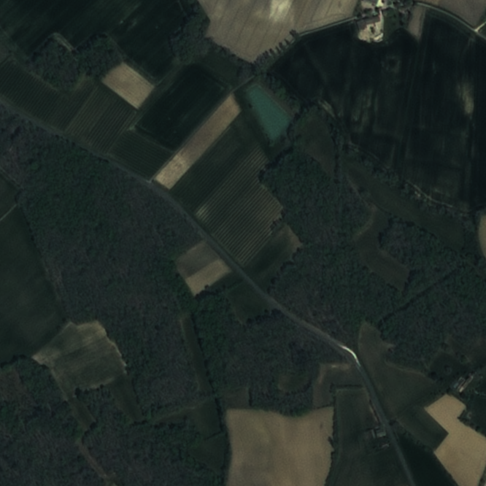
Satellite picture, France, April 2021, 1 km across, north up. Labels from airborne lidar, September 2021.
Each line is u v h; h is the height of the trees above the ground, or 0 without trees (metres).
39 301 0
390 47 0
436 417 0
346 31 0
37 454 20
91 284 17
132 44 0
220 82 0
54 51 20
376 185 0
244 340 15
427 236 22
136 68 0
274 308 0
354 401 0
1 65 0
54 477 17
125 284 19
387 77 0
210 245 0
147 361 18
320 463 0
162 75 0
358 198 12
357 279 19
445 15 0
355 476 0
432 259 25
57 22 0
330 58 0
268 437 0
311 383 19
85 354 0
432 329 19
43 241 19
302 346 12
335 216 23
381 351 0
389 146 0
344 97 0
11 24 0
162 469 18
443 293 20
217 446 0
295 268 16
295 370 17
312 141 0
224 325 24
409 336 17
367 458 0
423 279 23
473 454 0
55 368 0
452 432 0
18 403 6
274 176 25
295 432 0
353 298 19
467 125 0
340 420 0
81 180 18
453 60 0
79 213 20
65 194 21
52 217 21
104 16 0
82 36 0
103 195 18
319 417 0
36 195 19
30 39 0
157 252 17
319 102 0
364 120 0
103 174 21
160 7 0
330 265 18
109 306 18
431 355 15
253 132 0
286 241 0
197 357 0
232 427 0
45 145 18
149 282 19
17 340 0
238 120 0
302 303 18
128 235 13
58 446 15
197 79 0
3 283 0
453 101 0
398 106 0
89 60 20
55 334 0
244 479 0
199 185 0
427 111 0
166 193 0
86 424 0
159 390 20
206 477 25
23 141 12
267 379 17
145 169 0
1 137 17
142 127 0
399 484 0
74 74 19
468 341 15
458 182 0
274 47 0
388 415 0
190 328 0
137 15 0
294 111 19
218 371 20
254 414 0
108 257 12
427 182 0
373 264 0
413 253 16
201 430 0
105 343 0
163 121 0
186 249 18
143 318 15
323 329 12
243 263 0
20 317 0
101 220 19
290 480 0
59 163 17
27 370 20
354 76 0
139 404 15
